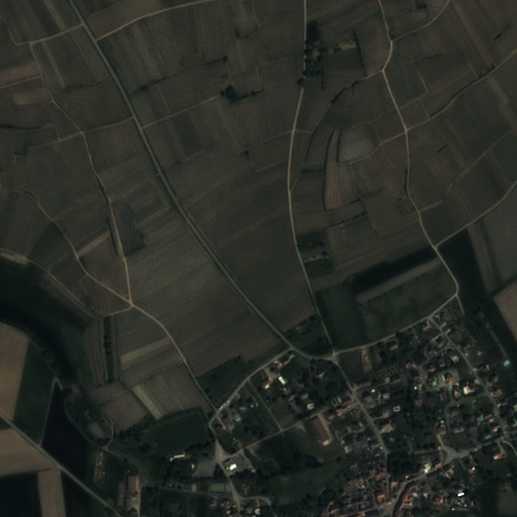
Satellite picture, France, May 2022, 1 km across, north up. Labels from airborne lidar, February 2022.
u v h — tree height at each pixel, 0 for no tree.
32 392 0
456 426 0
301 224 0
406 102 0
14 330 0
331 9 0
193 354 0
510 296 0
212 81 0
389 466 12
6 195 0
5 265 0
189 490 0
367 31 0
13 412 0
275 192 0
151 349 0
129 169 0
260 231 0
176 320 0
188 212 0
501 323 0
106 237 0
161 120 0
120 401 0
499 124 0
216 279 0
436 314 0
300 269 0
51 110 0
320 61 10
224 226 0
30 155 0
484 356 0
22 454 0
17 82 0
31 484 0
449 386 0
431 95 0
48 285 0
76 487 0
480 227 0
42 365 0
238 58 0
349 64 0
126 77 0
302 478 0
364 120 0
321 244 5
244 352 0
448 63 0
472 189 0
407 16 0
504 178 0
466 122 0
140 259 0
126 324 0
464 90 0
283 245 0
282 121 0
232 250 0
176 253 0
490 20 0
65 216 0
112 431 0
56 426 0
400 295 0
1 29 0
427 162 0
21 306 0
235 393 0
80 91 0
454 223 0
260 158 0
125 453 0
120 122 0
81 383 0
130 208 0
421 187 0
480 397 0
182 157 0
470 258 0
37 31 0
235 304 0
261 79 0
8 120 0
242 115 0
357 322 0
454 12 0
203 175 0
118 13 0
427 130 0
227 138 0
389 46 0
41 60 0
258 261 0
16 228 0
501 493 0
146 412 0
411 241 0
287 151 0
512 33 0
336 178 0
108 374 0
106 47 0
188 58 0
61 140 0
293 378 0
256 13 0
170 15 0
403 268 0
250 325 0
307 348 5
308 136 0
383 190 0
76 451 0
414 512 12
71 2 0
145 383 0
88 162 0
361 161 0
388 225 0
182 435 0
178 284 0
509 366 0
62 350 0
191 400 0
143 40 0
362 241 0
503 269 0
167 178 0
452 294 0
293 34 0
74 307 0
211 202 0
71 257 0
